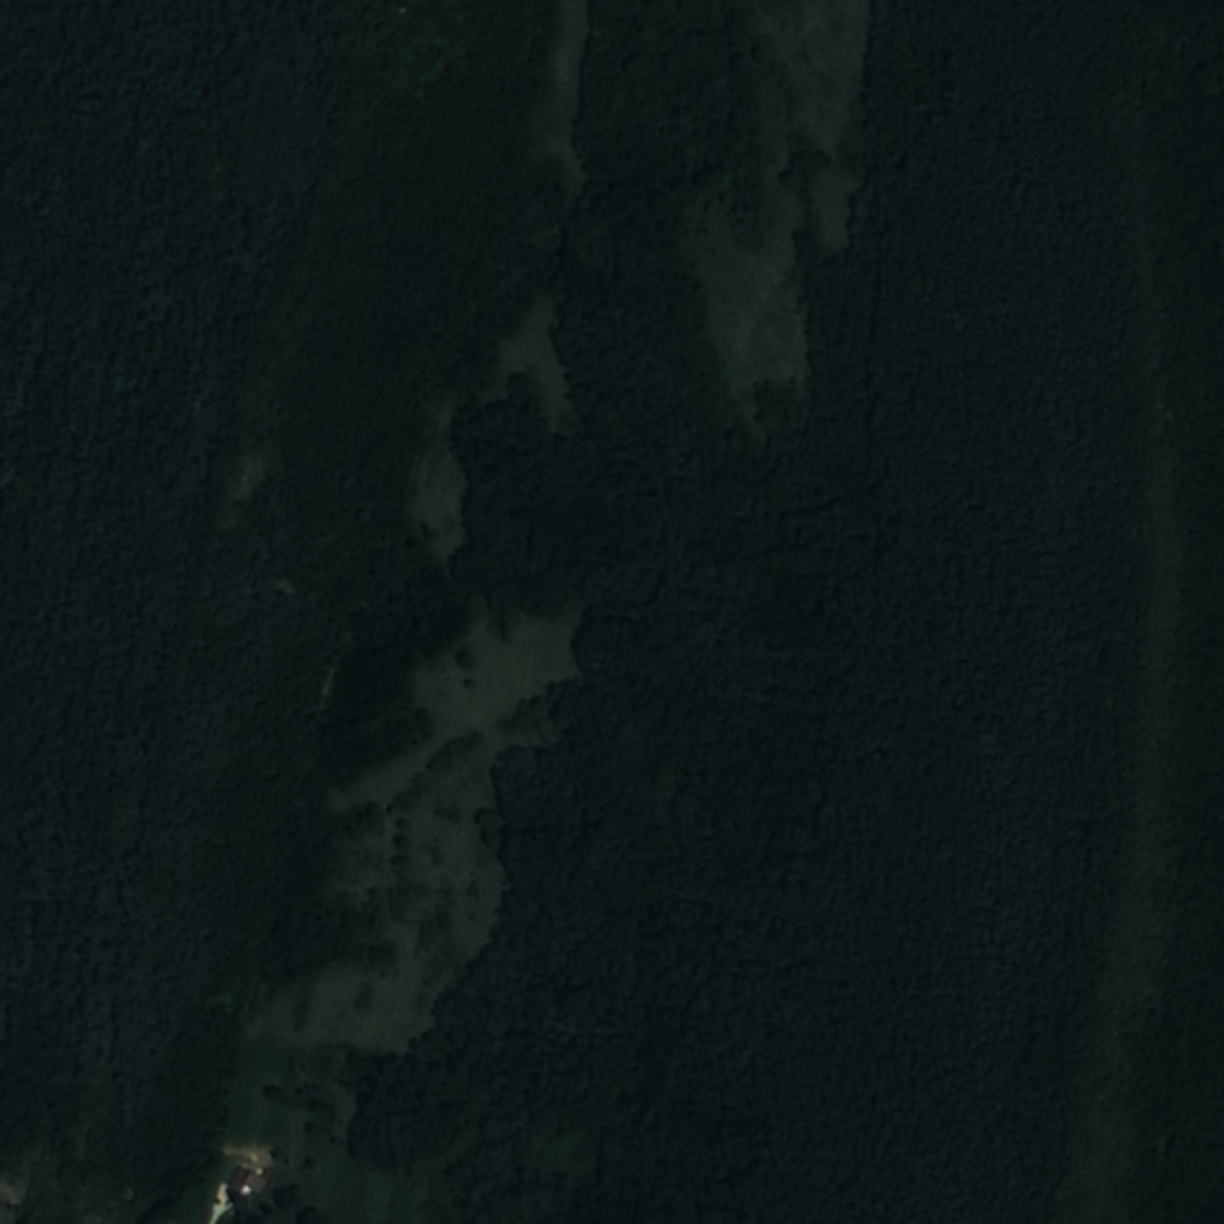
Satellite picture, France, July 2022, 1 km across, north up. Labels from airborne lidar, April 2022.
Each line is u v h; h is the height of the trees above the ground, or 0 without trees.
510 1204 23
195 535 11
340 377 15
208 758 18
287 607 23
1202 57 19
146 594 9
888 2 20
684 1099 10
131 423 18
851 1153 15
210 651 12
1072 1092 13
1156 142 16
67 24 10
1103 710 16
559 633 0
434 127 11
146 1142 16
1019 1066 17
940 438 15
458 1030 21
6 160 13
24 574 7
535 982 12
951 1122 13
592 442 20
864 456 18
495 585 18
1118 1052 6
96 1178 12
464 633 10
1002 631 21
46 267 18
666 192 8
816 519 26
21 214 12
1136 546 12
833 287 16
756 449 8
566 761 23
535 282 22
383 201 12
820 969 26
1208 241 25
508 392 6
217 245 17
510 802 22
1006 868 15
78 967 13
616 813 26
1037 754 14
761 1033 25
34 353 14
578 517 24
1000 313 16
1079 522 8
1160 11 18
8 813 15
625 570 25
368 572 11
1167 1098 16
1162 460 6
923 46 20
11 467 15
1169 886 15
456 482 0
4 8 15
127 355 13
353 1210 0
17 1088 20
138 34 12
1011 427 16
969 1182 5
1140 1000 8
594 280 22
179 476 8
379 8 6
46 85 15
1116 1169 8
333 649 20
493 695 0
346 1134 0
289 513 13
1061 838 11
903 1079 17
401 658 10
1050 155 14
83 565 13
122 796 9
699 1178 23
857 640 24
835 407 17
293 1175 0
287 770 17
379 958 8
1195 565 16
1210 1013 17
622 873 28
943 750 16
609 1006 21
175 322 17
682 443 21
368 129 7
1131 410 13
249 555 12
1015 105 14
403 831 11
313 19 13
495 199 19
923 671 22
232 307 15
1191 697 19
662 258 21
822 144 0
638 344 25
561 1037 15
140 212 16
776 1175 22
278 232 7
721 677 21
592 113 20
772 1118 22
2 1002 14
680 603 24
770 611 20
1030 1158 19
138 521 7
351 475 12
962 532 19
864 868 23
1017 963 8
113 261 15
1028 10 16
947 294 20
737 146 21
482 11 16
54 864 17
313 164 12
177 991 19
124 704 13
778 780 21
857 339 20
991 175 16
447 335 22
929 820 22
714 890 25
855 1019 19
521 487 28
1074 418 7
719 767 21
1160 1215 25
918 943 21
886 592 19
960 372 17
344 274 12
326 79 10
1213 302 22
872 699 17
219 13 12
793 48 0
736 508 20
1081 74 13
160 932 13
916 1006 16
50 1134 8
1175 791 16
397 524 21
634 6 16
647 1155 24
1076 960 18
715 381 6
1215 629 23
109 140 18
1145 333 7
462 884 0
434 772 10
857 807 20
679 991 26
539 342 0
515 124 14
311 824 21
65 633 12
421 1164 17
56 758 15
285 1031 0
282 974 17
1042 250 11
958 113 20
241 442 8
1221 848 26
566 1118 16
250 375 11
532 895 24
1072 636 11
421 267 19
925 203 23
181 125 13
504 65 18
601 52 16
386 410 22
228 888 17
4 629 15
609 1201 14
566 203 23
